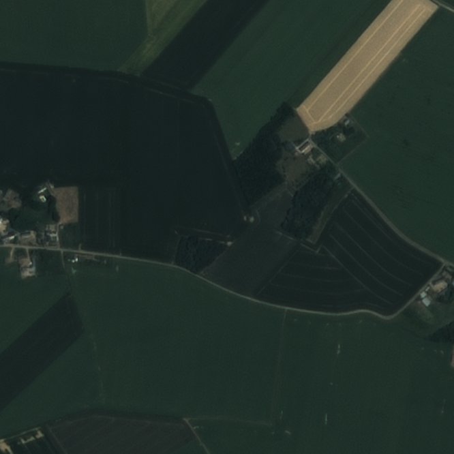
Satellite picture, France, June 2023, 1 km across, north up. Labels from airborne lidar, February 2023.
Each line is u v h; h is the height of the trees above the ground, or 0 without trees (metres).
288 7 0
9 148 0
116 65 0
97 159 0
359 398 0
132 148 0
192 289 0
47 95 0
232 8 0
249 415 0
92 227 0
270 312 0
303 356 0
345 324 0
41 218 0
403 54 0
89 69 0
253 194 10
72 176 0
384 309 0
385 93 0
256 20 0
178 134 0
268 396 0
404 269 0
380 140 0
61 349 0
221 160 0
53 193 0
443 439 0
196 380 0
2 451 0
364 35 0
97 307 0
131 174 0
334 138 9
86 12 0
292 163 0
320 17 0
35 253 9
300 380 0
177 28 0
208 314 0
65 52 0
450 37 0
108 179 0
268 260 0
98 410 0
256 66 0
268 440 0
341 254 0
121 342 0
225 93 0
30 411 0
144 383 0
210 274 0
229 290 0
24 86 0
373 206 0
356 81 0
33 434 0
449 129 0
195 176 0
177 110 0
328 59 0
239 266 0
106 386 0
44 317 0
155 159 0
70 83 0
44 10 0
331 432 0
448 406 0
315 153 13
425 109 0
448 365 0
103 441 0
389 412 0
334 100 0
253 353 0
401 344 0
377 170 0
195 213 0
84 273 0
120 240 0
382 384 0
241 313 0
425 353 0
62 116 0
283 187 0
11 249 0
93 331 0
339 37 0
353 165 0
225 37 0
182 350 0
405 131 0
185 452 0
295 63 0
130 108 0
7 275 0
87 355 0
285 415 0
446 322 0
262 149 8
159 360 0
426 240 0
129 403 0
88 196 0
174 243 0
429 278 0
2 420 0
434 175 0
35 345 0
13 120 0
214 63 0
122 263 0
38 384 0
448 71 0
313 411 0
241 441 0
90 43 0
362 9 0
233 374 0
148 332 0
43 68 0
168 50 0
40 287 0
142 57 0
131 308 0
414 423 0
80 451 0
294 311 0
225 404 0
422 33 0
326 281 0
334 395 0
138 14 0
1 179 0
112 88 0
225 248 15
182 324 0
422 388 0
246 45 0
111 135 0
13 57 0
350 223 0
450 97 0
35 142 0
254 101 0
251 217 0
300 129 0
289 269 0
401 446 0
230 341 0
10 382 0
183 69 0
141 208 0
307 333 0
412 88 0
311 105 0
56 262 0
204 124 0
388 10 0
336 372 0
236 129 0
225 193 0
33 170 0
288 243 0
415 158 0
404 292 0
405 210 0
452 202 0
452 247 0
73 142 0
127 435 0
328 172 9
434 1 0
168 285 0
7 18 0
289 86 0
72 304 0
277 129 8
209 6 0
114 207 0
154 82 0
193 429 0
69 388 0
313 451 0
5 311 0
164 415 0
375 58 0
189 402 0
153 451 0
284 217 0
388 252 0
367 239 0
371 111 0
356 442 0
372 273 0
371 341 0
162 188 0
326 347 0
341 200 0
